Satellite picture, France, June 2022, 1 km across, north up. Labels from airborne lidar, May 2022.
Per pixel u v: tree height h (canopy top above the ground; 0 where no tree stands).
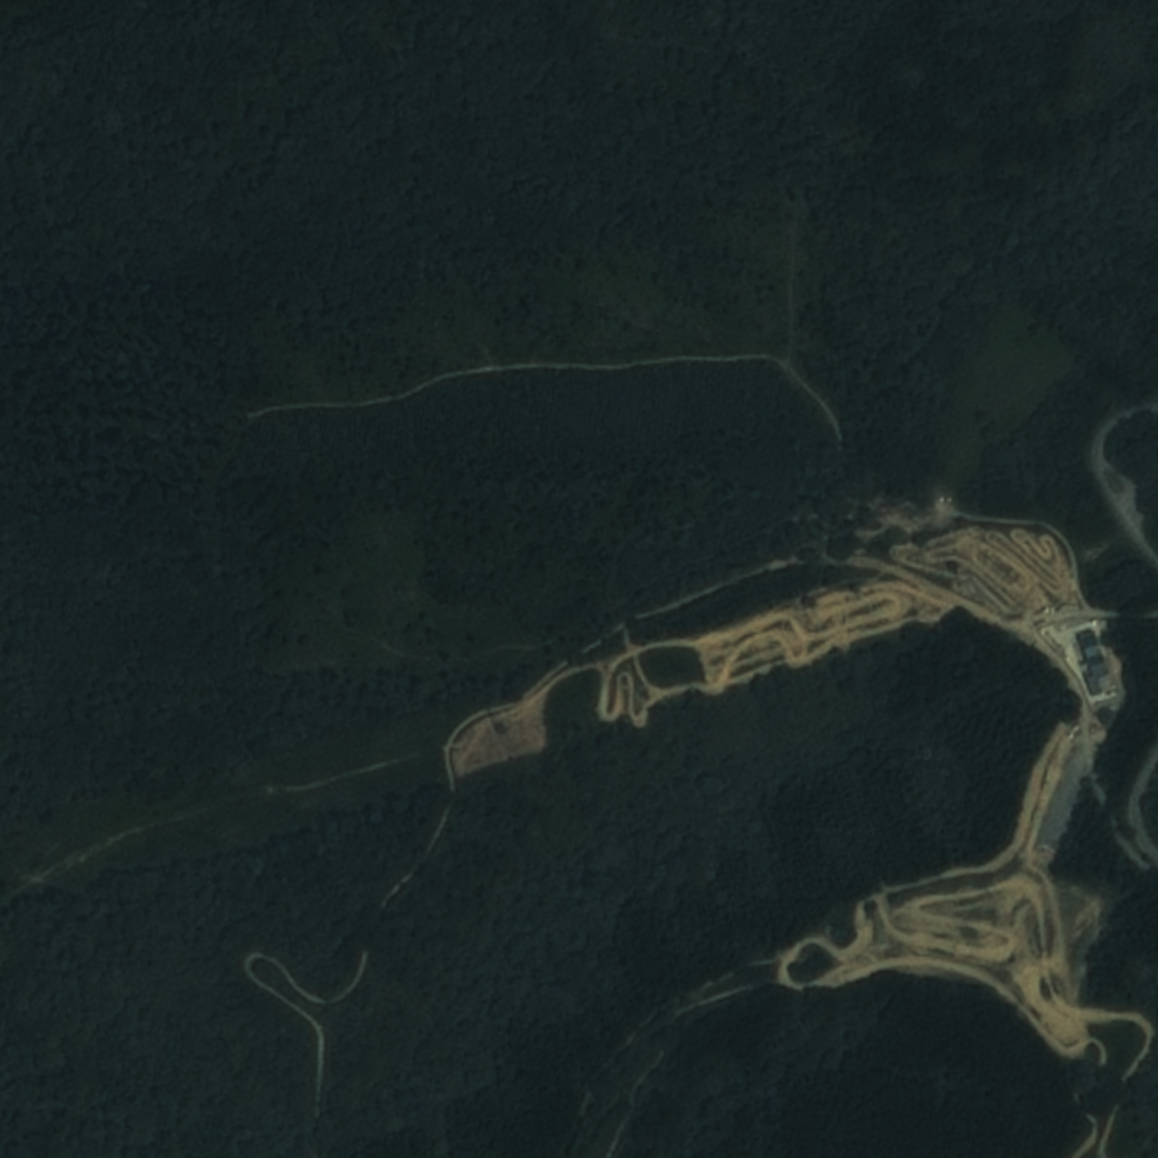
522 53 20
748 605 6
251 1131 16
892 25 12
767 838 6
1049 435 11
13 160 23
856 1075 18
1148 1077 12
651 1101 11
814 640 0
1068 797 0
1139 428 17
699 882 14
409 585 0
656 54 6
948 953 0
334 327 29
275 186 23
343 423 7
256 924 11
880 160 14
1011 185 12
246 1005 13
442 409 7
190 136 21
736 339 0
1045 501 13
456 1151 8
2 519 25
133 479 28
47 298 29
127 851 0
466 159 25
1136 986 8
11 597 20
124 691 13
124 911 16
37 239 26
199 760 25
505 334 7
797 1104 16
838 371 15
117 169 20
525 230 26
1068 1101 19
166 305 31
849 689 18
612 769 14
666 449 6
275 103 7
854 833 7
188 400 28
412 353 8
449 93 20
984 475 6
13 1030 22
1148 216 8
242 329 32
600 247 25
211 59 21
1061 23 13
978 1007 15
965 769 10
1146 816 8
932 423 13
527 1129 13
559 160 24
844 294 19
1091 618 0
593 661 10
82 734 22
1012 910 0
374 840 18
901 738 12
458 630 0
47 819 16
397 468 7
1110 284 11
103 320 28
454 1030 9
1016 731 11
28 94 24
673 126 18
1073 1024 0
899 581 0
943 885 0
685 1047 16
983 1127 16
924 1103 16
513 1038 10
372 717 15
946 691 9
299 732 20
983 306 15
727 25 15
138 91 22
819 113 19
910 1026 19
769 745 5
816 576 8
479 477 8
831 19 9
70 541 24
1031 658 17
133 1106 21
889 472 9
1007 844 10
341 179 21
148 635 22
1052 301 8
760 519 6
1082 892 0
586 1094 9
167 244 20
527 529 9
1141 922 13
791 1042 20
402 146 23
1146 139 18
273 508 10
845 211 16
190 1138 13
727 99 20
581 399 7
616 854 18
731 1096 16
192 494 19
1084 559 0
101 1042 13
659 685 0
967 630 12
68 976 18
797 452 6
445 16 14
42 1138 21
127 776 18
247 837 0
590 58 16
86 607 19
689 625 7
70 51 22
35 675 15
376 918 15
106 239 21
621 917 10
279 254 27
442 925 14
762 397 7
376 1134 13
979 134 11
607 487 24
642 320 0
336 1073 8
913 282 16
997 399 0
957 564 7
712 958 10
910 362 8
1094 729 0
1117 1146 0
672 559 6
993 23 11
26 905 16
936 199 11
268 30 23
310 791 0
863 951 0
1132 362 7
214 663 26
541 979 12
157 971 10
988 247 14
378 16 16
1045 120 9
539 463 12
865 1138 12
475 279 17
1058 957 0
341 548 8
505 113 19
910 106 7
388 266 22
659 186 19
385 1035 11
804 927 13
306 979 10
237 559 24
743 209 19
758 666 0
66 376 33
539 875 8
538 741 0
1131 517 0
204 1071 14
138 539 22
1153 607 11
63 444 32
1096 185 17
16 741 18
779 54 21
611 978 7
